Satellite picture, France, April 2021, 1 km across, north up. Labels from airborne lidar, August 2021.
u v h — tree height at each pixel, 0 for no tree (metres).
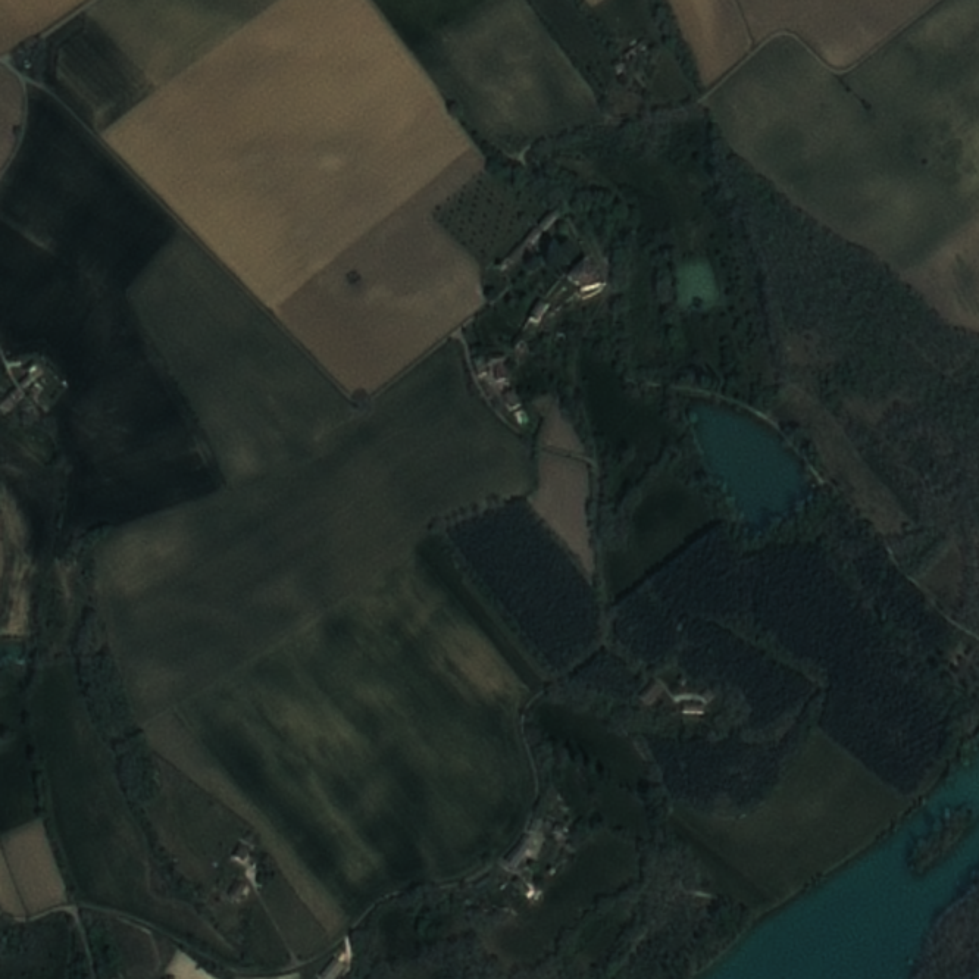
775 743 12
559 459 0
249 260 0
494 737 0
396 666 0
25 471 0
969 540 14
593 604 12
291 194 0
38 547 0
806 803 0
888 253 0
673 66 0
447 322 0
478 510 14
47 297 0
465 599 0
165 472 0
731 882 0
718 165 24
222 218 0
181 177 0
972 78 0
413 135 0
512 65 0
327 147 0
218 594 0
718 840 0
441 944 16
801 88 0
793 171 0
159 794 11
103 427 0
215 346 0
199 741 0
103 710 16
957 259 0
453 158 0
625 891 12
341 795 0
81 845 0
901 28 0
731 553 14
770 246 20
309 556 0
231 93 0
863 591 15
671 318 18
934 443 11
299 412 0
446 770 0
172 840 0
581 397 12
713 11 0
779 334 14
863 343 14
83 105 0
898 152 0
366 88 0
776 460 0
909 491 7
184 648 0
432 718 0
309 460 0
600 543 9
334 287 0
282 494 0
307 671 0
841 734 13
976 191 0
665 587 13
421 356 0
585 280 0
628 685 9
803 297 19
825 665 12
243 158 0
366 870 0
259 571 0
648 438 0
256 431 0
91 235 0
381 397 0
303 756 0
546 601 12
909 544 15
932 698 12
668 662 13
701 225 0
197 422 7
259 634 0
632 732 11
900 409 10
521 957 0
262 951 0
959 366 11
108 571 0
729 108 0
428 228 0
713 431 0
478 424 0
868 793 0
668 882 17
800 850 0
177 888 6
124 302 0
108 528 9
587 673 14
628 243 20
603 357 8
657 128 17
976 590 15
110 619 0
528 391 7
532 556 13
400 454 0
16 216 0
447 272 0
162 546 0
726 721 6
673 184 0
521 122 0
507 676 0
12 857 0
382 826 0
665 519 0
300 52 0
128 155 0
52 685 0
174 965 0
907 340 12
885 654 14
